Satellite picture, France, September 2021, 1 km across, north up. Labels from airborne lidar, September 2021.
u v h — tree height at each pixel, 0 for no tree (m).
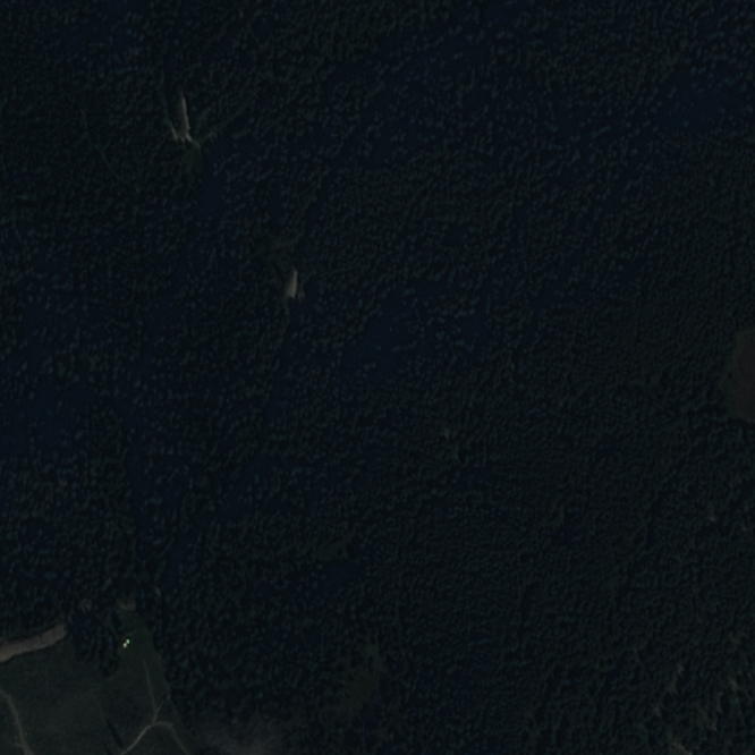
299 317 25
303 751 7
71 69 20
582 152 0
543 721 23
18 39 22
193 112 22
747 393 0
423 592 20
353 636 16
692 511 24
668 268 24
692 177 23
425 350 20
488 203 23
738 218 25
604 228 22
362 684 0
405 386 26
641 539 14
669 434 12
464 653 20
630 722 12
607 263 22
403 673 20
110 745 0
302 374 31
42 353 6
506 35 28
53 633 0
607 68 21
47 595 23
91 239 16
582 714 18
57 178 18
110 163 18
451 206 22
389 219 22
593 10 19
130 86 16
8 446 19
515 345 25
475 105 0
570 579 22
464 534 24
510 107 27
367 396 30
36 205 19
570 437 24
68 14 29
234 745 0
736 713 8
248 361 24
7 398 18
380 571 24
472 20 30
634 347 15
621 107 30
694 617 21
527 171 25
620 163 28
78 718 0
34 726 0
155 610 16
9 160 19
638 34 24
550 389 22
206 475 7
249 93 25
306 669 20
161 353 22
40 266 16
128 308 6
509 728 17
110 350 24
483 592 22
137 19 34
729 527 21
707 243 20
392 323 24
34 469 29
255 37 0
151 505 30
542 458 21
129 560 18
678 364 22
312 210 0
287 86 25
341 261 25
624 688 23
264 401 16
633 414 23
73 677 0
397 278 24
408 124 28
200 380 12
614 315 20
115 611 23
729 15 28
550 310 19
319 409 23
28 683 0
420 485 8
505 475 20
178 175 22
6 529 29
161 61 9
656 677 22
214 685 19
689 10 25
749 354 0
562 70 25
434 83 24
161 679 0
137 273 21
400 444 23
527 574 24
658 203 26
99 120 17
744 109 12
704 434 16
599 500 22
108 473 8
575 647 20
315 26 20
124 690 0
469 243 24
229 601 13
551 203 23
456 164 24
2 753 0
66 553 22
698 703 19
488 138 26
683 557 23
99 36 6
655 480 19
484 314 24
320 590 7
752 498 25
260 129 24
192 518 11
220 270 17
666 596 18
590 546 22
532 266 23
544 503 20
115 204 21
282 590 22
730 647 23
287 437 23
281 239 27
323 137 8
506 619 15
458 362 22
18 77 15
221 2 20
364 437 27
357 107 20
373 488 28
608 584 17
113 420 8
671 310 20
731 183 25
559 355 19
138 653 0
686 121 8
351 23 22
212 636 9
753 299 17
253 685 8
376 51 7
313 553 14
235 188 10
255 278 17
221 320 23
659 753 23
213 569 9
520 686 18
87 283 11
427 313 22
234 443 29
